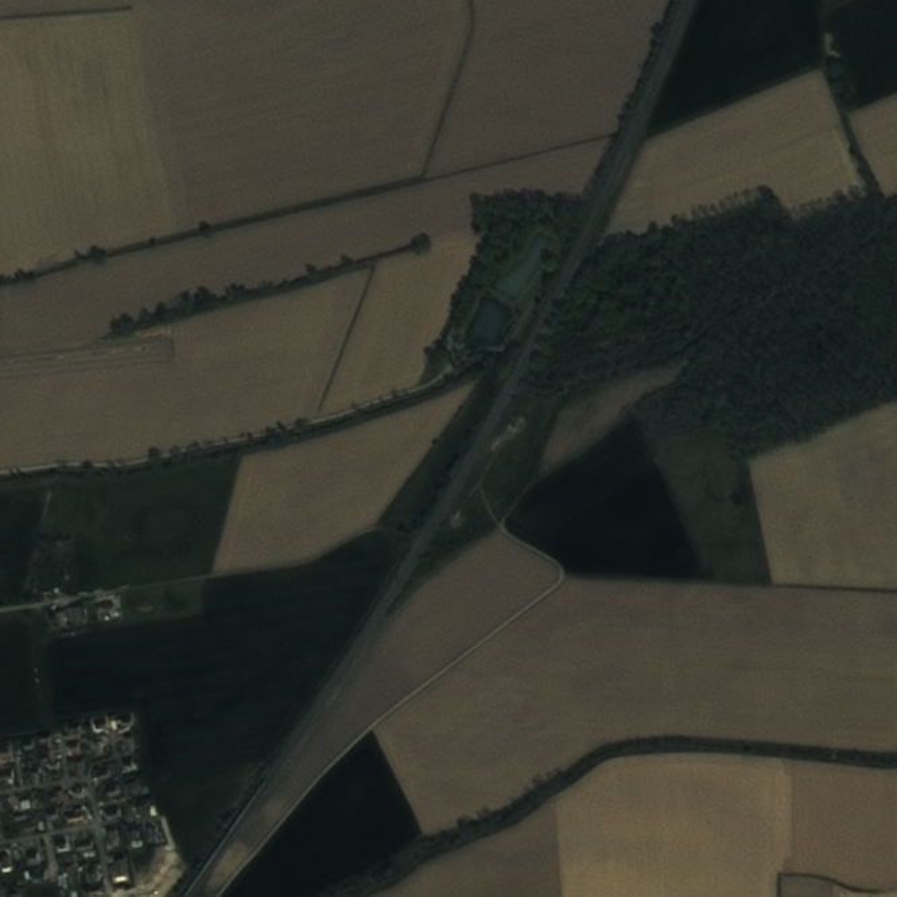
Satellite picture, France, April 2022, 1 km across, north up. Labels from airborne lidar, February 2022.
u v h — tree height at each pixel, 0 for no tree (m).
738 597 0
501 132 0
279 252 0
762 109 0
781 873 0
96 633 0
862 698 0
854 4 0
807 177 0
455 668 0
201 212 0
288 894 0
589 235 0
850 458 0
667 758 0
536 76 0
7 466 0
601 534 0
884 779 0
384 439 0
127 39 0
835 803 0
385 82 0
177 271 0
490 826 18
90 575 0
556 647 0
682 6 0
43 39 0
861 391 21
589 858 0
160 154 0
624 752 10
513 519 0
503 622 0
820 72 0
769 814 0
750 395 24
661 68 0
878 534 0
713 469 0
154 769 0
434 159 0
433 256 0
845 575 0
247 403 0
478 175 0
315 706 0
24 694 0
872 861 0
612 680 0
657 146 0
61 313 0
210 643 0
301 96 0
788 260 18
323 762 0
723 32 0
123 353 0
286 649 0
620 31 0
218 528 0
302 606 0
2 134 0
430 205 0
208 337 0
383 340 0
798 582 0
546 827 0
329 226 0
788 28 0
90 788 0
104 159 0
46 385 0
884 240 15
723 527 0
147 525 0
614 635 0
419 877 0
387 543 0
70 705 0
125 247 0
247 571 0
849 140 0
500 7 0
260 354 0
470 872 0
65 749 0
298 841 0
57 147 0
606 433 0
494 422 0
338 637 0
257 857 0
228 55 0
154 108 0
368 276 0
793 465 0
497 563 0
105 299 0
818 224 20
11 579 0
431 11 0
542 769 0
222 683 0
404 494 0
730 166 0
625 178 0
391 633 0
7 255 0
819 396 29
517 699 0
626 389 0
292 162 0
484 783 0
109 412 0
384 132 0
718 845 0
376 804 0
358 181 0
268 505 0
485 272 14
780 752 7
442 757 0
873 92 0
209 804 0
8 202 0
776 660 0
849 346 22
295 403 0
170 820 0
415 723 0
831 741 0
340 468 0
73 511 0
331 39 0
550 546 0
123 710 0
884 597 0
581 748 0
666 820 0
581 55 0
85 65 0
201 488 0
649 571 0
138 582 0
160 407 0
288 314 0
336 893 12
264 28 0
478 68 0
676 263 11
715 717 0
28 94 0
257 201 0
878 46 0
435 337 0
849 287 22
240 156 0
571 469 0
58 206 0
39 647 0
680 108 0
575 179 0
